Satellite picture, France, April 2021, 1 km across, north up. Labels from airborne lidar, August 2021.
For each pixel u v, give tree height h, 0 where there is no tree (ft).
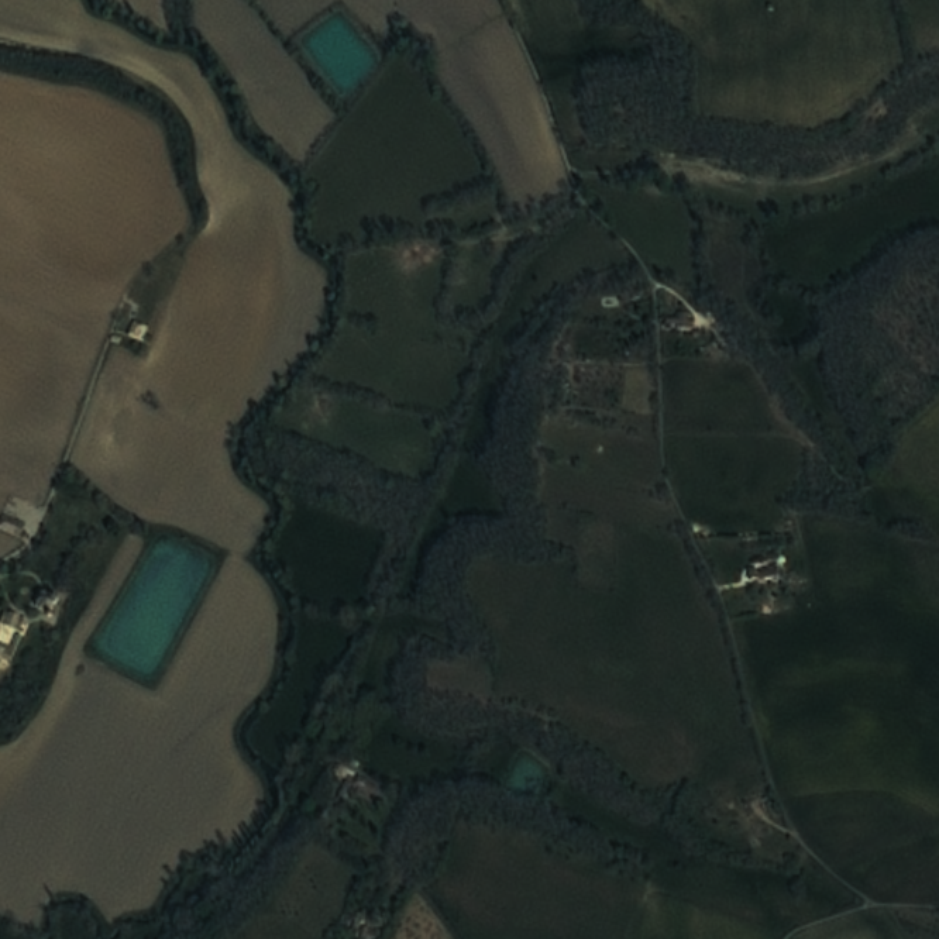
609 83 48
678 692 0
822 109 0
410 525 59
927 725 0
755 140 43
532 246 60
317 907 0
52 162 0
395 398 0
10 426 0
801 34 0
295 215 47
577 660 0
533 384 53
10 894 0
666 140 77
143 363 0
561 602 0
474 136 45
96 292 0
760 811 0
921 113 72
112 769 0
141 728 0
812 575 0
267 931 0
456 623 66
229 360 0
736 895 0
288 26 0
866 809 0
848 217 0
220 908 64
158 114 37
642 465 0
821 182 0
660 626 0
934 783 0
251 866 53
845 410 42
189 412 0
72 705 0
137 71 0
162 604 0
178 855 0
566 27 0
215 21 0
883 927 0
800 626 0
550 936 0
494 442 70
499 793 69
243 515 0
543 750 71
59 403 0
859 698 0
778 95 0
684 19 0
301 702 0
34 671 33
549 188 0
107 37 0
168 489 0
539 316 27
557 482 0
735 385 0
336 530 0
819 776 0
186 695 0
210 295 0
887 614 0
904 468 0
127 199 0
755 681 0
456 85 0
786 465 0
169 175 0
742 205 0
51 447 0
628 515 0
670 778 0
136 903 0
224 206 0
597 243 0
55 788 0
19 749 0
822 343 76
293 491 61
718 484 0
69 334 0
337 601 0
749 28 0
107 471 0
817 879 0
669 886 0
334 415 0
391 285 0
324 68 0
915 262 55
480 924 0
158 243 0
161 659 0
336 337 47
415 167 0
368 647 49
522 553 50
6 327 0
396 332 0
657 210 0
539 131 0
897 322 37
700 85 27
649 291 34
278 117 0
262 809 41
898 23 35
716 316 64
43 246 0
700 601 0
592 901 0
